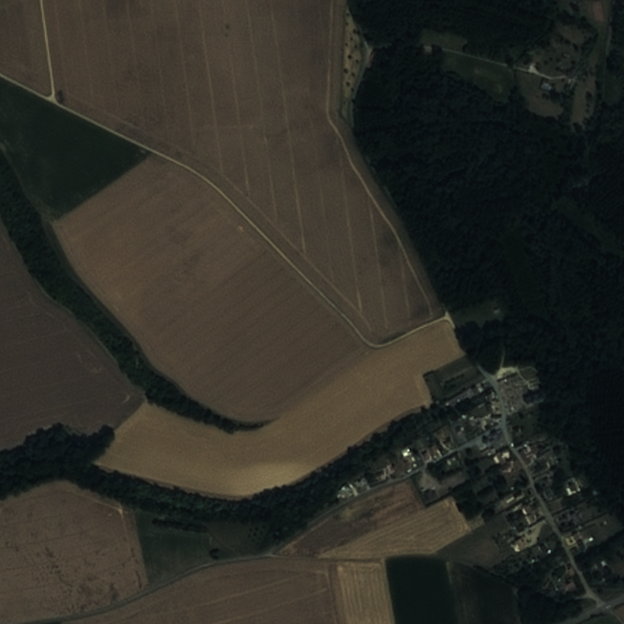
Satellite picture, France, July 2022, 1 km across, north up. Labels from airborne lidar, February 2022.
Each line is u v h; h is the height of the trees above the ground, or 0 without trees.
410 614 0
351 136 0
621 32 18
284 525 19
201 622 0
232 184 0
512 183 24
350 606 0
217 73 0
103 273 0
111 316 0
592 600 0
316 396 0
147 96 0
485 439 7
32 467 20
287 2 0
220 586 0
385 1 28
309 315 0
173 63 0
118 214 0
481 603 0
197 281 0
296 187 0
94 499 0
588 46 9
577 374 29
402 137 23
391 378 0
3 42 0
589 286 15
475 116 21
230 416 0
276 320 0
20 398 0
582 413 28
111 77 0
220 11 0
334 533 0
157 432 0
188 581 0
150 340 0
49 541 0
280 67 0
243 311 0
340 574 0
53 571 0
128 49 0
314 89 0
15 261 0
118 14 0
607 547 17
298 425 0
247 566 0
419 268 0
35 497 0
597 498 9
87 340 0
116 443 0
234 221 0
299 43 0
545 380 18
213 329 0
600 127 18
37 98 0
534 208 21
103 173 0
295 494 18
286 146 0
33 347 0
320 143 0
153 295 0
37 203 0
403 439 16
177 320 0
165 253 0
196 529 6
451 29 7
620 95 0
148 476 0
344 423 0
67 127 0
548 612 23
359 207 0
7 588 0
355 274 0
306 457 0
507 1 18
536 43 14
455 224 27
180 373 0
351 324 0
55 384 0
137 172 0
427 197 26
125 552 0
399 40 22
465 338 29
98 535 0
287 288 0
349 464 10
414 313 0
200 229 0
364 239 0
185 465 0
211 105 0
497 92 0
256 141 0
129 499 20
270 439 0
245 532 0
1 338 0
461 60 0
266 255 0
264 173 0
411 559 0
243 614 0
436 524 0
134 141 0
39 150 0
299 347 0
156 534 0
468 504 10
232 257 0
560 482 13
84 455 30
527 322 20
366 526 0
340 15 0
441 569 0
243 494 0
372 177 0
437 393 0
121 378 0
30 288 0
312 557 0
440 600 0
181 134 0
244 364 0
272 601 0
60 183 0
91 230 0
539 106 0
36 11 0
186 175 0
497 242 27
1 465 17
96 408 0
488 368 7
